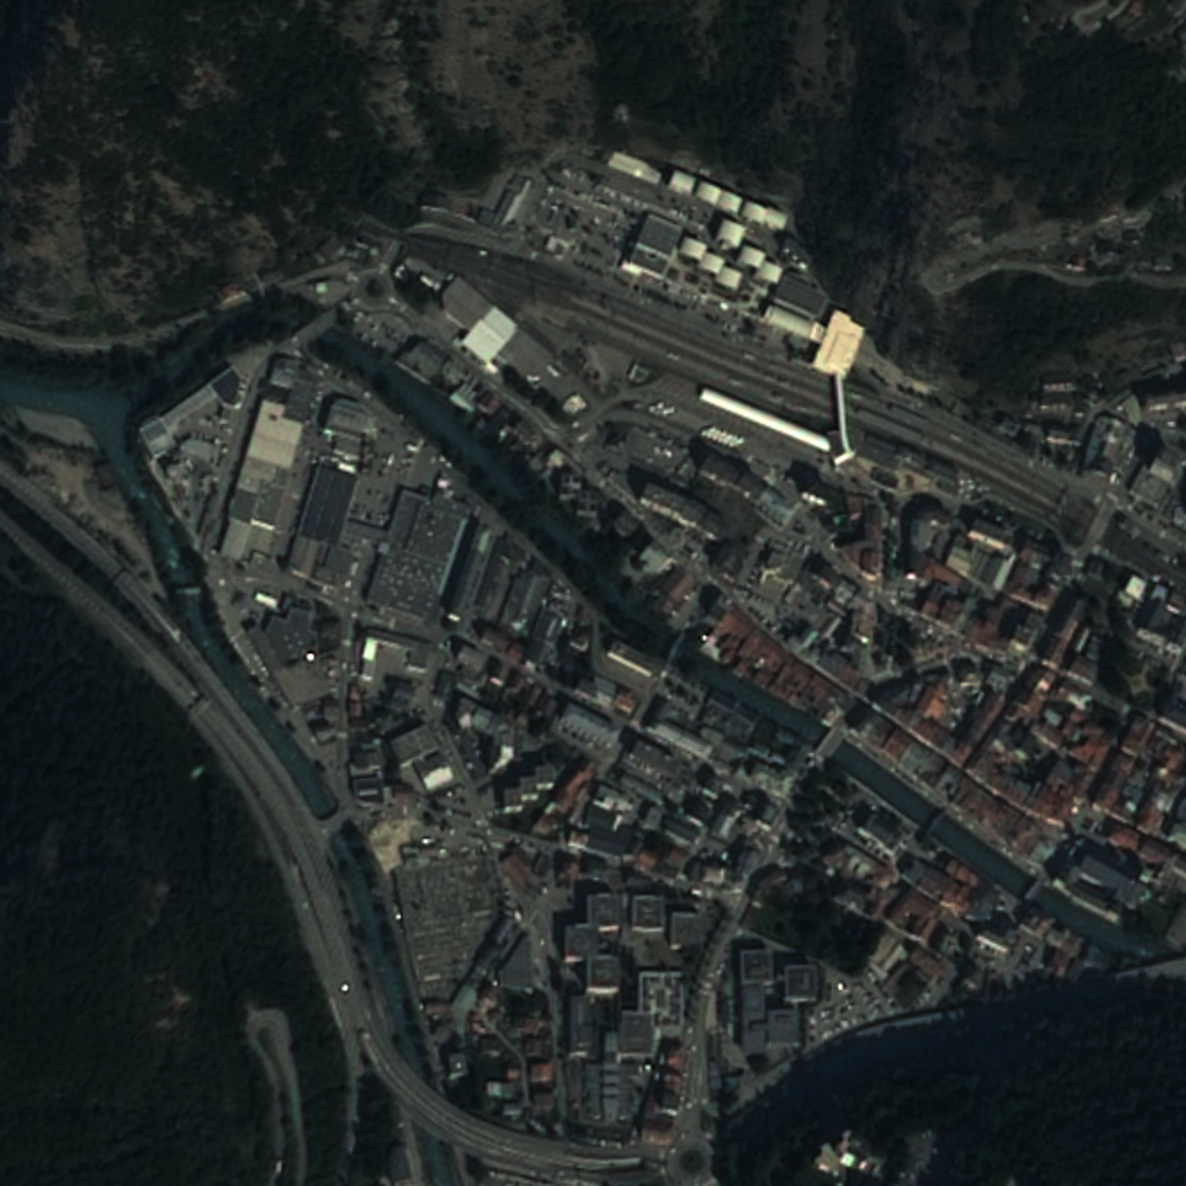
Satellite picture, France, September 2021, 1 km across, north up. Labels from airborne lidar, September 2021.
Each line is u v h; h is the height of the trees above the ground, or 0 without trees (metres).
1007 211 8
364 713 9
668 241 0
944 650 0
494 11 7
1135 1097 20
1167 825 0
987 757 0
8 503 15
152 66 8
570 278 0
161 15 13
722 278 0
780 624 0
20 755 16
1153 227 9
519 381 9
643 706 0
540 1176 0
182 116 14
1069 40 16
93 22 11
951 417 10
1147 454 15
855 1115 23
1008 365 8
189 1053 12
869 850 0
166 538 0
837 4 6
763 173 10
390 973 0
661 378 0
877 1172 0
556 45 8
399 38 10
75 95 9
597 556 18
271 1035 0
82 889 15
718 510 0
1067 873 0
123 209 8
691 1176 0
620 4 11
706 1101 0
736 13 19
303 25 9
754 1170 20
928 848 10
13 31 8
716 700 0
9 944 17
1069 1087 17
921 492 0
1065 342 12
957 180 7
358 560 0
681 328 0
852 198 9
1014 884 0
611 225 0
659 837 8
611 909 0
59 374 22
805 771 0
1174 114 6
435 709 0
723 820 0
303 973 16
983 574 0
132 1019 16
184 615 14
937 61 7
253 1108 12
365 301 0
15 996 20
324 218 8
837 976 0
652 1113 0
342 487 0
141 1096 10
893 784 0
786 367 0
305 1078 13
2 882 18
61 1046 18
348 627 0
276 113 10
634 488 0
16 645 12
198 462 0
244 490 0
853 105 11
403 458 0
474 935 0
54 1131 22
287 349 0
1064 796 0
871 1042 0
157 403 12
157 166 11
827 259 8
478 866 0
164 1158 18
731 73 15
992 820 0
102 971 19
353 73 17
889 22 16
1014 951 0
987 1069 14
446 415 0
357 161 10
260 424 0
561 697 0
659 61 15
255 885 17
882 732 0
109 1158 15
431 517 0
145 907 7
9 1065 15
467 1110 23
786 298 0
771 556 0
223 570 0
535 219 0
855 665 0
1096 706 9
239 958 16
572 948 0
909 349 6
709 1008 0
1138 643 0
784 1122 7
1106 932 0
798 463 0
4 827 21
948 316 6
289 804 0
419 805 0
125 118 9
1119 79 15
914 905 0
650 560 0
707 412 0
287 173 11
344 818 0
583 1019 0
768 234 0
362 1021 0
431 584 0
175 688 0
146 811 18
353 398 0
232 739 0
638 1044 0
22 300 32
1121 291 11
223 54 9
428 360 0
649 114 9
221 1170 15
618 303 0
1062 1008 15
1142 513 0
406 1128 0
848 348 0
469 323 0
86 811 21
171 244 8
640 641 18
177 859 20
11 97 5
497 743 0
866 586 0
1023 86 6
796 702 0
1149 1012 21
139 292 8
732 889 0
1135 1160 25
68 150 8
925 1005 0
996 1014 0
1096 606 12
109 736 15
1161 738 0
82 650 6
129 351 13
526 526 16
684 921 0
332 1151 13
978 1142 16
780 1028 0
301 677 0
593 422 0
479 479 12
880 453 0
